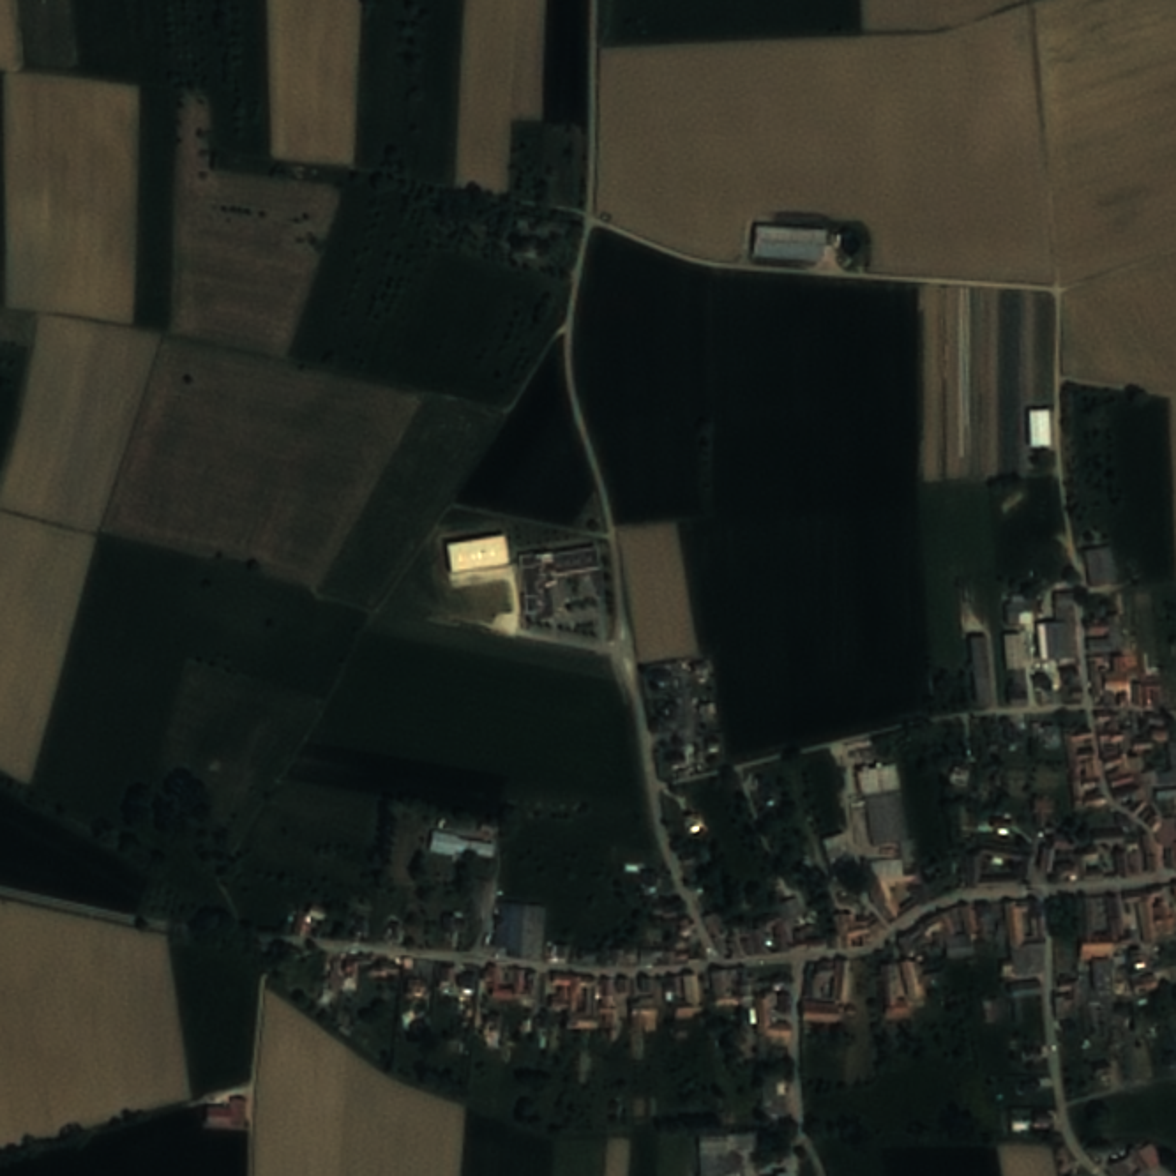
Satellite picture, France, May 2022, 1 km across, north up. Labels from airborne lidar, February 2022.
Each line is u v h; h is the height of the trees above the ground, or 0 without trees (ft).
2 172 0
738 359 0
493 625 0
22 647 0
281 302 0
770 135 0
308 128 0
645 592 0
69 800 0
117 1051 0
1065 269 0
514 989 0
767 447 0
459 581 0
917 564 0
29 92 0
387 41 0
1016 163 0
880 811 0
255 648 0
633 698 0
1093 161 0
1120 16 0
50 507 0
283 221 0
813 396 0
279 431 0
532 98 0
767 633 0
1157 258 0
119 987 0
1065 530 0
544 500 0
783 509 0
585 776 0
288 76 0
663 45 0
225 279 0
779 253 0
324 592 0
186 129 0
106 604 0
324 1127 0
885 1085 0
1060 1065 0
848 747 0
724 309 0
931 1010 0
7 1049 0
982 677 0
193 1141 0
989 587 0
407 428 0
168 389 0
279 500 0
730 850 0
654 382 0
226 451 0
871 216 0
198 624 0
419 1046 83
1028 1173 0
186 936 41
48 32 0
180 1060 0
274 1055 0
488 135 0
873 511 0
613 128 0
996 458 0
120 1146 0
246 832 0
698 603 0
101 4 0
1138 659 0
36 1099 0
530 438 0
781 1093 0
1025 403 0
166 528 0
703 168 0
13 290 0
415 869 40
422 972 0
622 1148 0
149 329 0
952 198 0
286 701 0
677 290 0
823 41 0
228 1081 0
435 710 0
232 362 0
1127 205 0
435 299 0
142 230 0
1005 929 0
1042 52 0
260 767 0
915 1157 0
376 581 0
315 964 0
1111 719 0
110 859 0
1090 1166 0
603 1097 0
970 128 0
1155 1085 0
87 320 0
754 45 0
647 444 0
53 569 0
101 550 0
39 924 0
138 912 0
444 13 0
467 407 0
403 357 0
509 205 35
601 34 0
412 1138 0
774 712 0
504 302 0
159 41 0
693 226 0
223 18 33
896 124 0
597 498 0
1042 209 0
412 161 0
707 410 0
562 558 0
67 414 0
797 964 0
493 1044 0
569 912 0
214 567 0
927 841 0
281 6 0
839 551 0
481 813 0
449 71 0
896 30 0
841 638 0
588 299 0
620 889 19
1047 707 0
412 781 0
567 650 0
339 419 0
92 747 0
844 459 0
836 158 0
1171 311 0
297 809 0
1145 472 0
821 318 0
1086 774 0
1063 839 0
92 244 0
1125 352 0
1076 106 0
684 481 0
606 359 0
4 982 0
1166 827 0
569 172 0
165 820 104
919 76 0
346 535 0
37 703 0
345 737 0
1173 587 0
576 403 0
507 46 0
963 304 0
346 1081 0
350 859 0
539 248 45
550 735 0
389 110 0
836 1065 0
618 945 31
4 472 0
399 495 0
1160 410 0
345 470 0
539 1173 0
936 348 0
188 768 0
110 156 0
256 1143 0
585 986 0
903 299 0
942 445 0
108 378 0
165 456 0
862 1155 100
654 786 0
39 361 0
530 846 0
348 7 0
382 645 0
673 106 0
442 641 0
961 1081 0
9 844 0
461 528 0
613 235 0
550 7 0
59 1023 0
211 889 0
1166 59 0
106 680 0
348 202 0
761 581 0
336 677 0
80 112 0
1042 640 0
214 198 0
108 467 0
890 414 0
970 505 0
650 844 0
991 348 0
